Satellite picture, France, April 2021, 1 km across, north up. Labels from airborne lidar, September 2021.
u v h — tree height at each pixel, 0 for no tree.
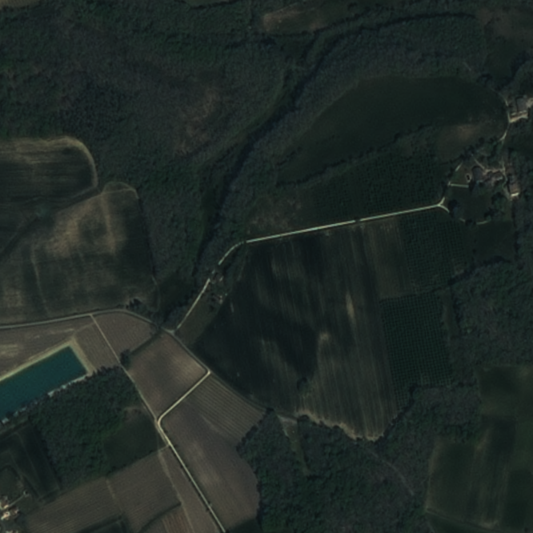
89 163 0
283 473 21
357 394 0
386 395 0
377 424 0
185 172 25
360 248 0
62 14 21
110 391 23
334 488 19
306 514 22
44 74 10
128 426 0
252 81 21
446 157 0
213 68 16
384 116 0
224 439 0
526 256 25
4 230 0
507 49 0
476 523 0
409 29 21
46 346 0
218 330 0
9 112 18
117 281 0
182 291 0
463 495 0
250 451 21
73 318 0
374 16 23
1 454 0
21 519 19
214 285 14
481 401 13
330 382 0
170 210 20
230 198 25
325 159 0
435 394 21
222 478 0
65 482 18
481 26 10
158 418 0
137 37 25
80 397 20
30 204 0
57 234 0
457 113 0
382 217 0
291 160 6
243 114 25
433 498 0
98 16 24
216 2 0
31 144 0
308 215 0
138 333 0
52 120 19
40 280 0
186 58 23
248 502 0
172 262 21
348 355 0
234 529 0
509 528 0
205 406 0
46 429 25
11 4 0
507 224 0
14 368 0
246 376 0
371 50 19
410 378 7
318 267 0
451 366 7
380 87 0
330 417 0
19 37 17
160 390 0
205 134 15
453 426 22
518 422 0
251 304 0
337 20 0
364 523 21
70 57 14
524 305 24
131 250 0
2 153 0
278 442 22
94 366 0
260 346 0
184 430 0
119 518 0
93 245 0
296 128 27
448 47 21
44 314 0
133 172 15
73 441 25
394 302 6
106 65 18
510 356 20
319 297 0
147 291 0
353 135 0
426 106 0
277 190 14
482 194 11
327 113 0
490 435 0
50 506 0
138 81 18
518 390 0
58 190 0
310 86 28
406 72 21
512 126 11
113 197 0
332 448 16
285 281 0
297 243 0
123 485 0
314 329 0
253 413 0
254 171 26
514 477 0
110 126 17
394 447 21
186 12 20
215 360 0
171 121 16
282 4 20
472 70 17
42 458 0
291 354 0
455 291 21
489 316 20
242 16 28
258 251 0
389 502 20
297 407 0
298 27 0
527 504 0
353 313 0
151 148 18
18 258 0
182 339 17
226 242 18
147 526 0
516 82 15
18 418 18
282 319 0
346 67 25
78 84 17
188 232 22
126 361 22
